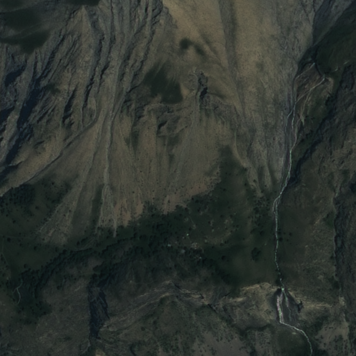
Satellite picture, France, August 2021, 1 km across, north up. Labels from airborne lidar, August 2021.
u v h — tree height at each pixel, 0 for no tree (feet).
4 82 0
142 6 0
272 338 0
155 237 33
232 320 27
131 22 0
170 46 0
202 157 0
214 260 47
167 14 0
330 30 0
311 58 0
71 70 0
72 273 0
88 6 0
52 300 0
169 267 0
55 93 0
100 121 0
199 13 0
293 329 0
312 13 0
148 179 0
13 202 51
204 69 0
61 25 0
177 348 26
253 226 0
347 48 0
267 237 0
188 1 0
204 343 0
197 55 0
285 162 0
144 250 36
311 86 0
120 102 0
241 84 0
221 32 0
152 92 0
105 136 0
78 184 0
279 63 0
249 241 0
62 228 0
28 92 0
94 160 0
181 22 0
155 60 0
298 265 0
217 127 0
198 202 36
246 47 0
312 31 0
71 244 0
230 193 0
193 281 0
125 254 35
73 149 0
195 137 0
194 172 0
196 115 0
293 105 0
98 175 0
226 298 37
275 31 0
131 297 0
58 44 0
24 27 0
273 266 0
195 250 27
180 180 0
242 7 0
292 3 0
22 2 0
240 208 0
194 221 0
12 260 0
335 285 26
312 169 0
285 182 0
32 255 0
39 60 0
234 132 0
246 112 0
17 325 0
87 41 0
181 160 0
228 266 0
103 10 0
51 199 19
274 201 0
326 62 0
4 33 0
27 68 0
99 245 18
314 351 21
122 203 0
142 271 0
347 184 0
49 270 45
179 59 0
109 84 0
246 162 0
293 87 0
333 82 0
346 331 0
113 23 0
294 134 0
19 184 0
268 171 0
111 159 0
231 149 0
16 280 0
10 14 0
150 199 0
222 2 0
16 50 0
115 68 0
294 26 0
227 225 0
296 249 0
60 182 0
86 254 46
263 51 0
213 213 0
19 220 0
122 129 0
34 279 56
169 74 0
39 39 0
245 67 0
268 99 0
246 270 0
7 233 0
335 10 0
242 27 0
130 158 0
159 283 0
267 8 0
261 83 0
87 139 0
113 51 0
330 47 0
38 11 0
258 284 157
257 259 34
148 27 0
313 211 0
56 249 22
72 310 0
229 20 0
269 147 0
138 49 0
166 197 0
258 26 0
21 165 0
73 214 0
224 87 0
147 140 0
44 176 0
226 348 0
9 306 0
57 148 0
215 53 0
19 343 0
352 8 0
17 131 0
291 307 0
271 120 0
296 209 0
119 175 0
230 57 0
